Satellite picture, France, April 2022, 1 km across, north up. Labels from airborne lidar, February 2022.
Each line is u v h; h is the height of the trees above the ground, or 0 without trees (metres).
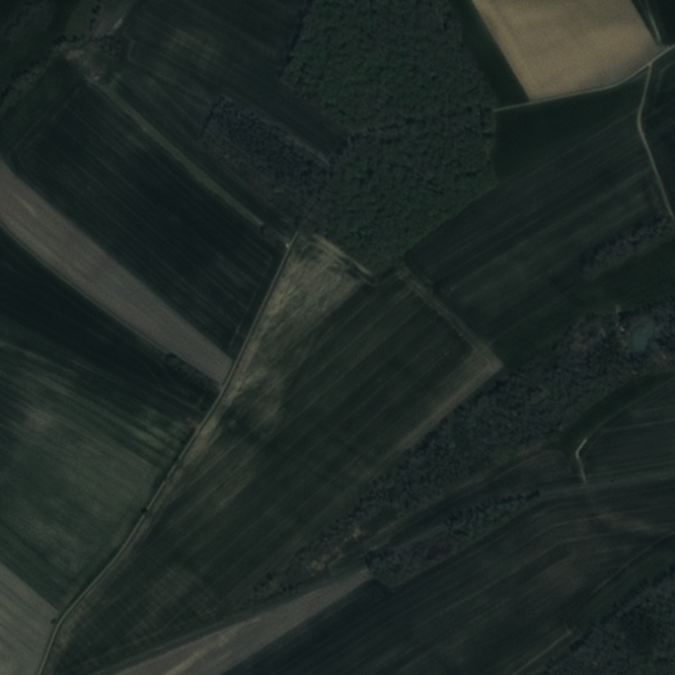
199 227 0
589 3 0
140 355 0
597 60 0
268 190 0
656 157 0
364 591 0
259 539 0
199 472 0
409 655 0
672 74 0
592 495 0
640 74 0
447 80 28
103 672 0
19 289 0
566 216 0
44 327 0
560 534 0
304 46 20
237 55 0
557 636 0
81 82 0
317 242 0
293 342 0
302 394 0
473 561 0
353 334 0
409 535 0
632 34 0
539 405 18
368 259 20
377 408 0
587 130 0
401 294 0
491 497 0
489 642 0
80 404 0
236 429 0
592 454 0
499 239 0
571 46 0
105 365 0
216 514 0
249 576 0
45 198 0
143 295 0
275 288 0
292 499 0
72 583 0
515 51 0
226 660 0
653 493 0
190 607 0
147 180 0
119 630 0
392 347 0
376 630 0
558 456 0
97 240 0
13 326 0
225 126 21
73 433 0
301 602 0
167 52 0
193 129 0
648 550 0
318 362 0
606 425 0
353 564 0
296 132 0
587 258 0
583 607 0
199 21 0
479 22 0
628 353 12
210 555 0
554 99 0
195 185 0
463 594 0
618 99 0
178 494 0
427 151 24
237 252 0
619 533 0
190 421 0
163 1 0
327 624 0
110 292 0
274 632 0
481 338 0
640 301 0
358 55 28
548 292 0
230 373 0
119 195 0
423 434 0
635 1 0
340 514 0
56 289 0
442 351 0
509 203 0
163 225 0
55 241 0
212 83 0
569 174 0
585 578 0
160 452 0
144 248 0
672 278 0
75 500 0
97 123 0
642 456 0
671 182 0
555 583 0
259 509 0
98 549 0
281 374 0
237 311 0
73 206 0
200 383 14
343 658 0
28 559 0
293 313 0
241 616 0
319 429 0
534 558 0
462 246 0
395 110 27
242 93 0
